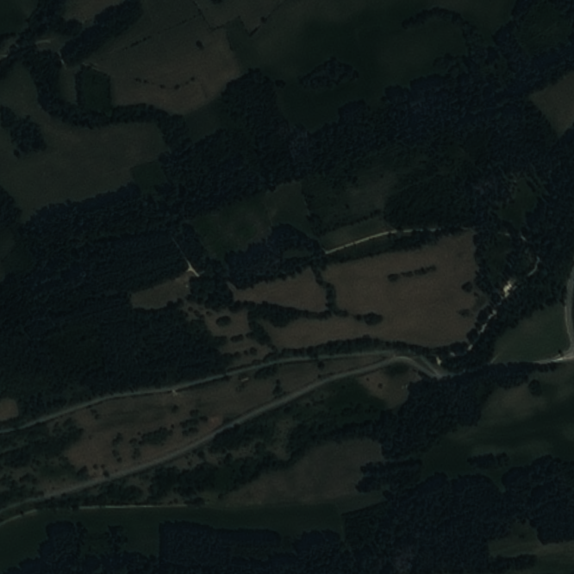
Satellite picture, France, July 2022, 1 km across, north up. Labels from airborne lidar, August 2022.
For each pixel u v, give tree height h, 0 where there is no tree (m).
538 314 0
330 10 0
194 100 0
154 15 0
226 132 9
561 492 21
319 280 9
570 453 0
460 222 9
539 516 23
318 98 0
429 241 13
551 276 15
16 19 0
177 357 13
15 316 12
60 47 0
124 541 9
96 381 14
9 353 10
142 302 0
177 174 30
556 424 0
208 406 0
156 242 19
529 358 0
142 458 0
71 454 0
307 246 23
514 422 0
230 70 0
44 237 27
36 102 0
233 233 0
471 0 0
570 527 21
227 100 6
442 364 8
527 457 0
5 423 10
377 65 0
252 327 9
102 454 0
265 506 0
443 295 0
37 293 29
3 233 0
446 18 12
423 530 28
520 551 0
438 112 33
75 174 0
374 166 0
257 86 10
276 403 0
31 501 0
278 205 0
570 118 0
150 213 25
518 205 0
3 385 7
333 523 0
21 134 6
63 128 0
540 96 0
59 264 20
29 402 6
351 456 0
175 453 0
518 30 14
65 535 28
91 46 21
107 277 17
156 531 0
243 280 27
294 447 7
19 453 8
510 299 13
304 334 0
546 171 26
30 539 0
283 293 0
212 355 13
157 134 0
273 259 22
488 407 0
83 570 16
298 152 26
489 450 0
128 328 12
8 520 0
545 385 0
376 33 0
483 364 10
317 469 0
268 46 0
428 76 0
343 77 22
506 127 31
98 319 14
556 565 0
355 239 0
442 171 0
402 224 7
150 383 10
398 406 0
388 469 19
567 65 23
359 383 0
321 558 24
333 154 12
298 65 0
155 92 0
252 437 7
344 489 0
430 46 0
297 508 0
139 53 0
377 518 12
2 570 0
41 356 15
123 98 0
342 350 12
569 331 0
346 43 0
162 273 19
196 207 15
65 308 7
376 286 0
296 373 0
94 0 0
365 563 31
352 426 13
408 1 0
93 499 11
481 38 21
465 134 8
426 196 7
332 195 0
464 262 0
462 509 19
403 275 10
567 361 0
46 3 8
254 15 0
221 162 12
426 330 0
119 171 0
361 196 0
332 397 0
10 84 0
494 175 22
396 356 0
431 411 22
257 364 6
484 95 15
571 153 15
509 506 18
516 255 19
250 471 10
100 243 11
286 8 0
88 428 0
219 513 0
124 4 16
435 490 29
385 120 6
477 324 11
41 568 31
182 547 30
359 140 17
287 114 0
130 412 0
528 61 30
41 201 0
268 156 15
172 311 10
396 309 0
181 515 0
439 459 0
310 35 0
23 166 0
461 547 30
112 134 0
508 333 0
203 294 7
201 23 0
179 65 0
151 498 8
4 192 11
